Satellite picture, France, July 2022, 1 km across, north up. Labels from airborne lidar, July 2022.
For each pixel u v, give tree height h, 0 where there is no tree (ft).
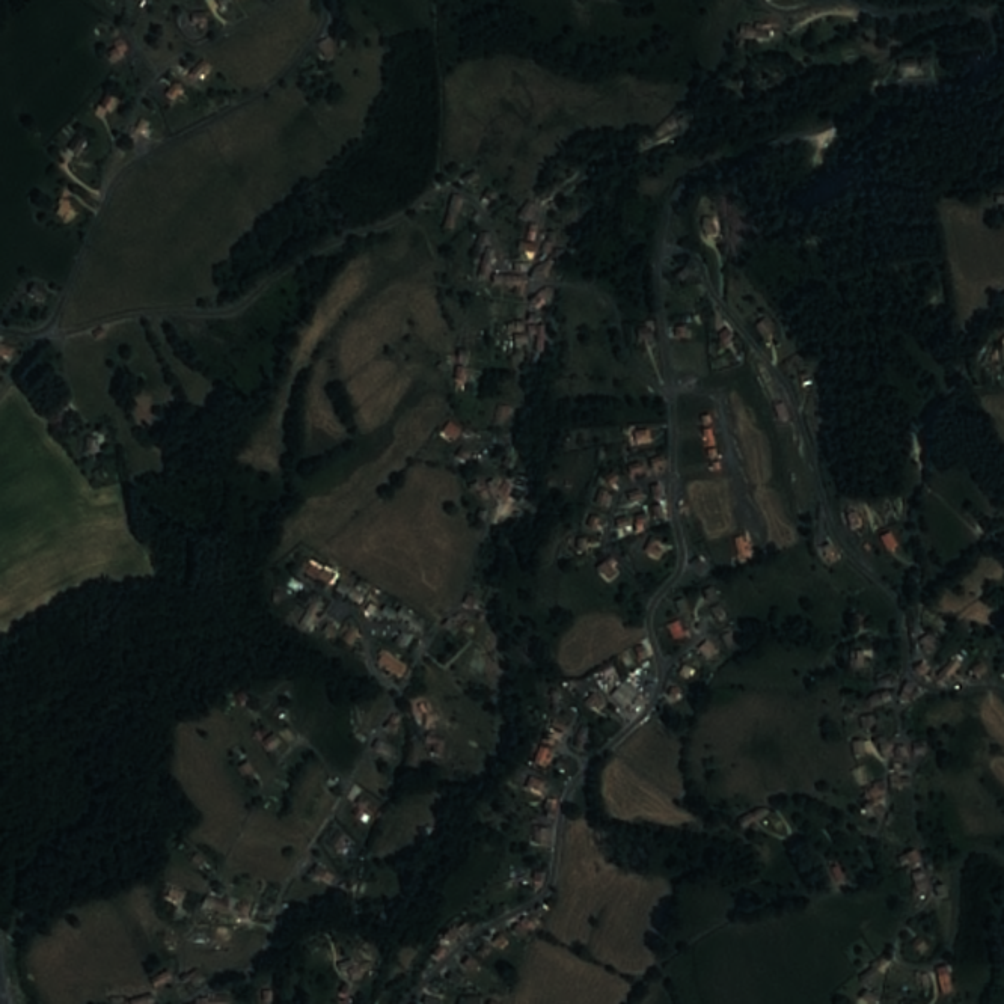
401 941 58
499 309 0
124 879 77
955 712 0
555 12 0
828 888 58
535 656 62
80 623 89
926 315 53
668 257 0
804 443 0
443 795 37
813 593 0
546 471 55
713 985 0
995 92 66
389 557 0
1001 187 47
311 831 0
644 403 37
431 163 25
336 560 0
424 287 0
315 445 0
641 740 0
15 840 34
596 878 0
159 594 79
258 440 0
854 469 67
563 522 31
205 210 0
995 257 0
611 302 0
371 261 0
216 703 73
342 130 0
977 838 0
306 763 45
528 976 0
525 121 0
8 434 0
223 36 0
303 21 0
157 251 0
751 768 0
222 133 0
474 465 31
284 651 69
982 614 0
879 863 49
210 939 0
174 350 44
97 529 0
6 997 0
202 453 91
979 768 0
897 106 57
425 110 19
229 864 0
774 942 0
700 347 0
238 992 71
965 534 0
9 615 0
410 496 0
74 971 0
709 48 0
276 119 0
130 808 70
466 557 0
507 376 48
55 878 82
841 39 53
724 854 29
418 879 42
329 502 0
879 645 52
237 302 50
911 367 24
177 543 21
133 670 102
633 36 0
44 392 68
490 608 33
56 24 0
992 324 68
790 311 79
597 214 29
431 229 0
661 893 0
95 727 65
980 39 81
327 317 0
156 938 0
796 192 30
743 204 48
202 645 91
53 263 0
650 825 23
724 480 0
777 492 0
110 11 0
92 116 0
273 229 63
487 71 0
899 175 92
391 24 0
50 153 34
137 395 27
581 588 0
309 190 59
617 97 0
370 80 0
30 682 71
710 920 0
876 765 0
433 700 0
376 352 0
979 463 95
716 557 0
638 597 19
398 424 0
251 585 38
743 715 0
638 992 54
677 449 0
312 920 66
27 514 0
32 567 0
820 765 0
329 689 32
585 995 0
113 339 0
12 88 0
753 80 76
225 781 0
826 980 0
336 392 58
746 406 0
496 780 72
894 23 19
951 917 0
